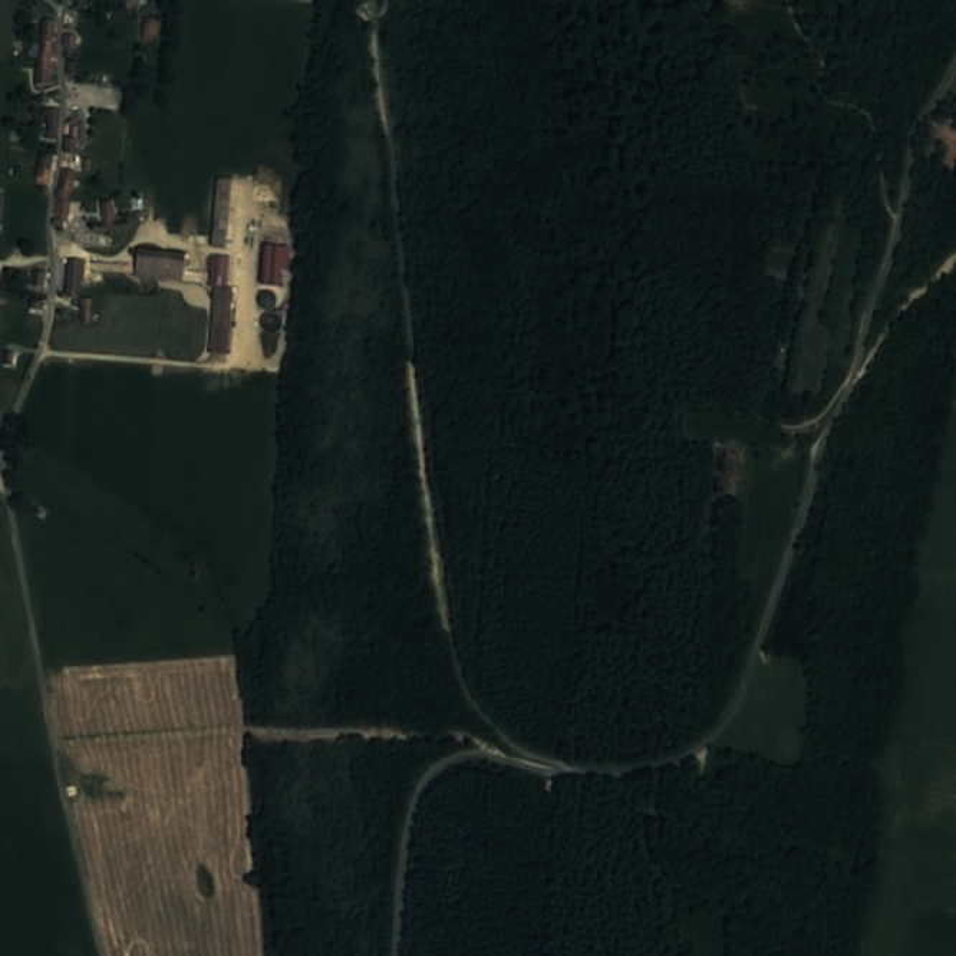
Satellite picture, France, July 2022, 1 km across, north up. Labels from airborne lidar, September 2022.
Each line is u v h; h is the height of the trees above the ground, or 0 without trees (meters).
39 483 0
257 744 11
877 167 17
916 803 0
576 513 23
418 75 15
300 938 9
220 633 0
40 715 0
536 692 19
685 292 34
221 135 0
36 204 0
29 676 0
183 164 0
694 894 18
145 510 0
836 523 18
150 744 0
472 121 19
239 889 0
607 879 34
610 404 24
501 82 17
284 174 0
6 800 0
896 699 16
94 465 0
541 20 22
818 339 0
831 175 18
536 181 9
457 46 12
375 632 12
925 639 0
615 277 20
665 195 20
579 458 20
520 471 17
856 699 16
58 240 0
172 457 0
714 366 24
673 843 29
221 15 0
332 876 6
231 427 0
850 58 18
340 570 9
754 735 0
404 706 14
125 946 0
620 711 32
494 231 19
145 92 23
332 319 0
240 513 0
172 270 0
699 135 31
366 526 11
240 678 7
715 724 25
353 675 12
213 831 0
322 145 7
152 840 0
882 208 15
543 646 18
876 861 15
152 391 0
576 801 32
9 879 0
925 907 0
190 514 0
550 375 19
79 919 0
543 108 18
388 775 13
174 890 0
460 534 16
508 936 21
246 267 0
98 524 0
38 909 0
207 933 0
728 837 23
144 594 0
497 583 21
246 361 0
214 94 0
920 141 19
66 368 0
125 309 0
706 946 0
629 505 29
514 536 23
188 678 0
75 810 0
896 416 16
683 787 22
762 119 12
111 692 0
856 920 22
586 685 33
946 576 0
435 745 20
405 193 11
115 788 0
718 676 22
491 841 19
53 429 0
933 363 17
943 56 7
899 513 18
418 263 10
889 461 11
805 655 7
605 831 35
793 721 0
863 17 20
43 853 0
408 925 14
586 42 27
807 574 7
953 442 0
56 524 0
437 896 14
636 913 31
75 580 0
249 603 0
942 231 14
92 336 0
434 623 18
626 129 26
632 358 31
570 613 21
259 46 0
